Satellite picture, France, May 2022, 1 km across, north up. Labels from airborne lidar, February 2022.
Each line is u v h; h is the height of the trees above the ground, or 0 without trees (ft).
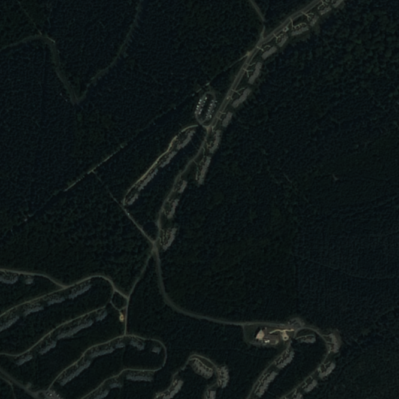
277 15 106
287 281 68
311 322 81
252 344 0
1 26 28
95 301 45
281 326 0
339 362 36
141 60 96
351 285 73
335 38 98
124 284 39
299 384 0
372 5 89
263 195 84
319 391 40
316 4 0
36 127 103
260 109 57
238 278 41
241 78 0
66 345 44
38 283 45
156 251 0
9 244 41
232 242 85
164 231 0
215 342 40
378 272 83
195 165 0
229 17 55
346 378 35
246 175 69
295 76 63
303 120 74
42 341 0
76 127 95
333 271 65
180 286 48
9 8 32
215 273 47
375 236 70
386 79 79
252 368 43
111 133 46
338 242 88
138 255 103
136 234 71
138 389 39
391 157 52
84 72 94
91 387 40
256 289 42
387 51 117
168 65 76
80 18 104
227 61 39
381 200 58
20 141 112
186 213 55
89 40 108
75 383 43
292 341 0
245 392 51
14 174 112
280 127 84
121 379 0
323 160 86
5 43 24
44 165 110
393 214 59
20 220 68
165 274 50
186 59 83
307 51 103
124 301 36
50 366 43
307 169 99
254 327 0
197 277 45
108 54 93
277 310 42
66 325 0
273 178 52
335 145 96
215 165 54
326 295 90
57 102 94
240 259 45
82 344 31
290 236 61
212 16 69
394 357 33
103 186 60
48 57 92
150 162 82
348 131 112
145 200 62
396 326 29
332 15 0
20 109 108
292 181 21
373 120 97
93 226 41
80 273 62
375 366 45
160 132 82
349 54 96
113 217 114
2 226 75
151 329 57
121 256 116
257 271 43
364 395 30
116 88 94
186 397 29
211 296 48
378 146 45
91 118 62
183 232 74
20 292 42
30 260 38
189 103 51
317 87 64
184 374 30
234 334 45
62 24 86
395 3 102
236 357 41
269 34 0
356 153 51
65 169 92
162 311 47
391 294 88
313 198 58
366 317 76
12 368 29
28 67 95
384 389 29
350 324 96
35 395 0
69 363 33
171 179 73
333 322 66
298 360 75
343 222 77
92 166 38
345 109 88
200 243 80
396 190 57
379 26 125
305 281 88
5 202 89
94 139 61
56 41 96
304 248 73
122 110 80
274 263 59
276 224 69
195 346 34
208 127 0
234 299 53
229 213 59
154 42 87
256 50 0
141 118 93
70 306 64
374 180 48
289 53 61
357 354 30
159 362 36
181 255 78
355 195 58
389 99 101
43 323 43
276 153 90
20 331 44
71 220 40
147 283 33
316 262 73
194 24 66
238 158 88
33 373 27
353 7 114
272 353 36
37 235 38
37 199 90
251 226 84
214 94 0
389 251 76
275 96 78
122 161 70
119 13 98
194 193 74
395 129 42
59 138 100
